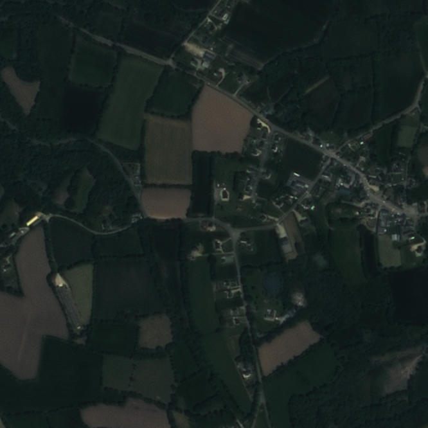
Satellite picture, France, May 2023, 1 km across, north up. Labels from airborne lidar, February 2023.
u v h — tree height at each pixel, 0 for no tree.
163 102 0
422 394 0
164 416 0
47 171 14
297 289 0
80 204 0
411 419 20
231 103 0
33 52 14
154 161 0
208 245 0
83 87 8
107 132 0
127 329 0
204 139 0
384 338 14
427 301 0
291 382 0
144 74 0
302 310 19
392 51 10
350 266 0
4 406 0
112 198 8
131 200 13
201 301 0
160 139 0
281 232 0
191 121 0
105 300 0
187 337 15
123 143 0
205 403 12
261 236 0
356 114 0
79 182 11
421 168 0
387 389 0
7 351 0
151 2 19
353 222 9
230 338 0
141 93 0
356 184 0
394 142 9
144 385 0
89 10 12
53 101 0
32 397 0
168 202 0
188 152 0
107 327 0
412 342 9
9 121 14
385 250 0
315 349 12
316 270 10
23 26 18
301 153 0
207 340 0
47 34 0
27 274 0
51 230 0
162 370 0
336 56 0
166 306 14
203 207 0
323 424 15
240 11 0
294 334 0
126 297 0
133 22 0
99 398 0
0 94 20
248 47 0
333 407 14
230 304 0
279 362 0
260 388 12
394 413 9
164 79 13
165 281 0
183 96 0
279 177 0
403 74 0
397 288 0
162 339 0
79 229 0
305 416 9
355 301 10
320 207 0
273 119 14
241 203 0
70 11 19
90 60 0
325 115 0
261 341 13
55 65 0
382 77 0
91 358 0
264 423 0
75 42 10
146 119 0
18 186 20
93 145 12
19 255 0
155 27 0
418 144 11
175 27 0
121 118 0
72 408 9
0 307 0
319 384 0
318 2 0
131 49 0
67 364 0
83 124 0
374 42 0
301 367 0
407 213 0
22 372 0
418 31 0
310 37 0
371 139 6
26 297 0
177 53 12
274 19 0
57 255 0
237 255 0
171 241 0
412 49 11
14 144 13
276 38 0
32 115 13
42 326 0
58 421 0
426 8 14
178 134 0
